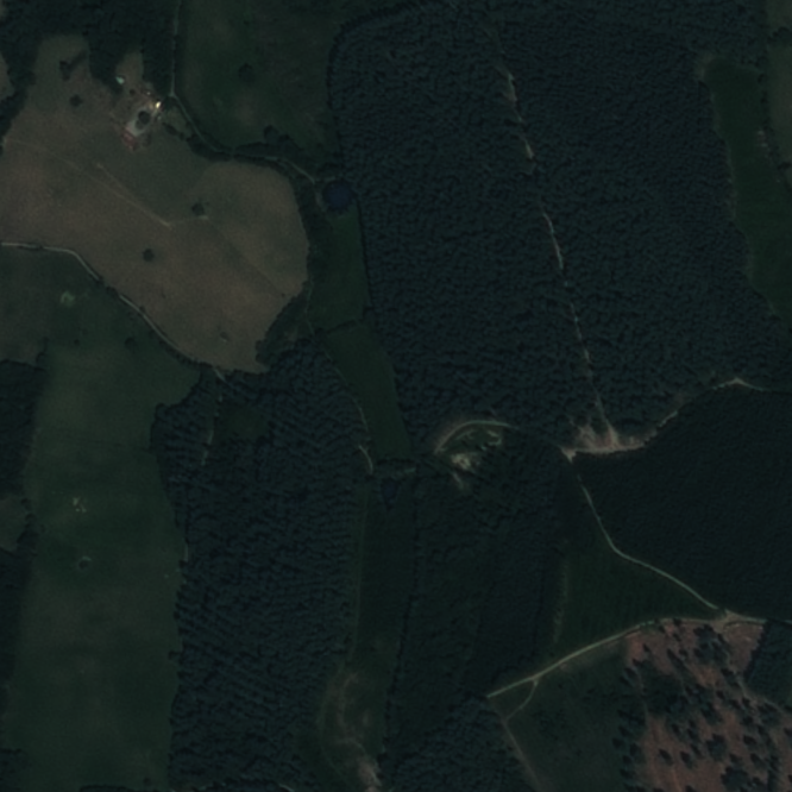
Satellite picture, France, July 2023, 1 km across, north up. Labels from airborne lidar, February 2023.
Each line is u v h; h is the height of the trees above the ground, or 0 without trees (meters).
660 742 26
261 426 0
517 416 29
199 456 24
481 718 28
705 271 31
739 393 11
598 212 34
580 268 27
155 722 0
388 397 0
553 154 30
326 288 0
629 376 29
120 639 0
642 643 33
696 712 37
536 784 0
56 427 0
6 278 0
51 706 0
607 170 31
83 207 0
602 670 0
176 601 0
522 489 13
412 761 30
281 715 24
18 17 18
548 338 31
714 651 36
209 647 11
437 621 20
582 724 0
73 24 14
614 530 8
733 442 8
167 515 0
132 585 0
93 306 0
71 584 0
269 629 36
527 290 28
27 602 0
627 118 25
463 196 33
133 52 0
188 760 26
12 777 17
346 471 36
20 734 0
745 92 0
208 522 34
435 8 31
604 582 0
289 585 38
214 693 23
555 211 34
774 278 0
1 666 18
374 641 29
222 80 0
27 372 13
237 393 26
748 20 36
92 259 0
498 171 36
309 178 12
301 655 31
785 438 10
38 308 0
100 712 0
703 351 30
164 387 0
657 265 35
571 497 21
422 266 37
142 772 0
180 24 6
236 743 12
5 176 0
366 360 0
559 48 22
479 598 19
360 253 0
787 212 0
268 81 0
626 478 8
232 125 0
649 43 18
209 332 0
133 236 0
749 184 0
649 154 23
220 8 0
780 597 9
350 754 34
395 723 23
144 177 0
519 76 25
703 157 24
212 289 0
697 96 24
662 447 10
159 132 0
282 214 0
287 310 11
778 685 32
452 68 31
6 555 17
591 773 0
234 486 11
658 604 0
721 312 31
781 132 0
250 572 35
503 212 26
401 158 30
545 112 35
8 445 10
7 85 0
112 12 8
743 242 23
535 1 25
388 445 0
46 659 0
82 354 0
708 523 11
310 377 32
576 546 7
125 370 0
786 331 21
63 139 0
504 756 16
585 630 0
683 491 9
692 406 7
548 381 33
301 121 0
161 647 0
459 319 32
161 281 0
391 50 38
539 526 19
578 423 9
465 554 25
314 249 8
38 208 0
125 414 0
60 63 0
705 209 25
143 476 0
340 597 32
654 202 33
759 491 11
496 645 8
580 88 22
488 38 33
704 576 11
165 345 12
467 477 19
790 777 35
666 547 7
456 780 23
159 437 13
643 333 28
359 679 30
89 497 0
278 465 34
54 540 0
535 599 12
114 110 0
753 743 32
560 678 0
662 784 37
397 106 21
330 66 0
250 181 0
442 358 29
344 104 31
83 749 0
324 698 30
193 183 0
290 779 29
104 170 0
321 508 30
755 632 35
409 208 33
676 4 38
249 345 0
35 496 0
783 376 12
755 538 9
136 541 0
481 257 34
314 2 8
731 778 36
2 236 0
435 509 23
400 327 29
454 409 39
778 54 0
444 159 35
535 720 7
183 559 0
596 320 28
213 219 0
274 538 25
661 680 7
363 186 28
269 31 0
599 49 24
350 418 32
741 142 0
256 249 0
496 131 35
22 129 0
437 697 23
